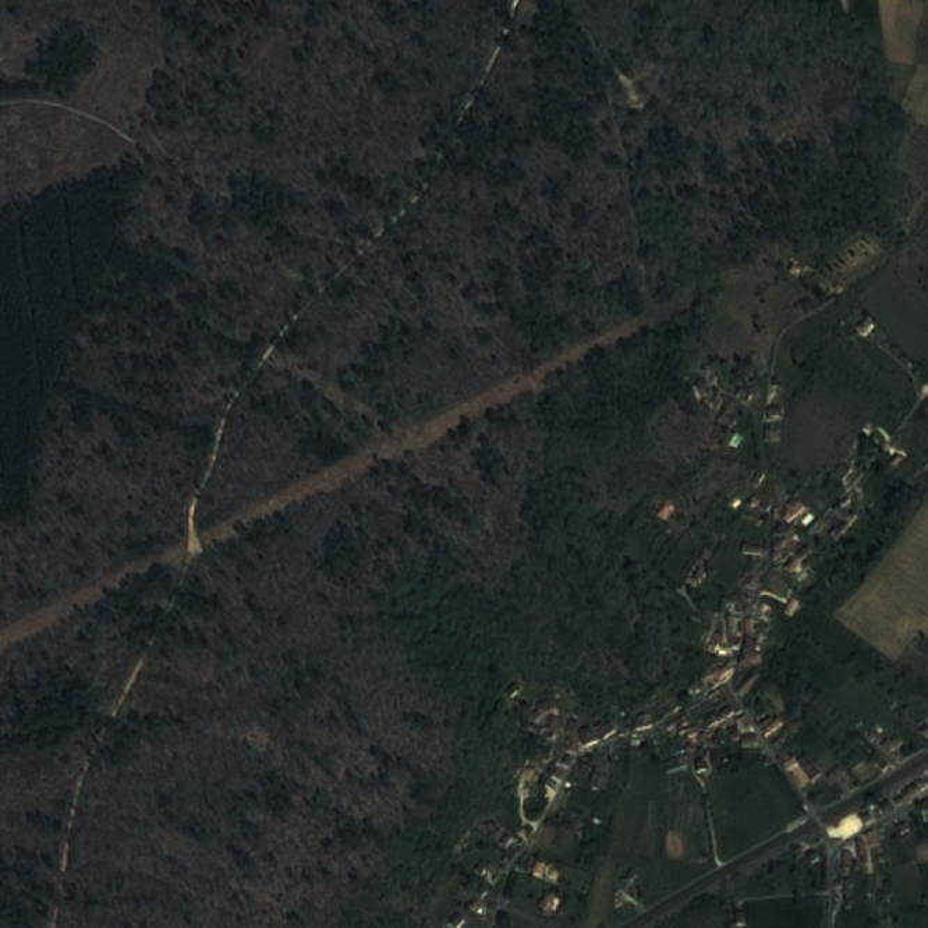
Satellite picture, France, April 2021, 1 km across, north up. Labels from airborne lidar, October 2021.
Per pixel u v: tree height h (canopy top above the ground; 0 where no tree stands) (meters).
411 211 13
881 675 10
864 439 11
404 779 12
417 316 17
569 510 21
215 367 16
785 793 0
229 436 6
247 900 13
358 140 11
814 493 9
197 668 15
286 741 16
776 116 13
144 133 10
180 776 18
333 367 8
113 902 7
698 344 26
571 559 18
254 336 6
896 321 0
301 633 13
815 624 0
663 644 23
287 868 15
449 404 13
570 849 0
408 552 17
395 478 23
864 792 0
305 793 14
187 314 20
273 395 20
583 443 19
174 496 9
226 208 10
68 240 14
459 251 16
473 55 13
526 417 13
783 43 13
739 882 13
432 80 12
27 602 19
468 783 19
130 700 10
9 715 9
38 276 19
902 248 15
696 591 7
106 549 15
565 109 21
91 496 11
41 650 13
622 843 0
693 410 16
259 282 11
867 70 20
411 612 21
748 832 0
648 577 14
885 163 20
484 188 11
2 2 22
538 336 25
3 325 20
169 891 9
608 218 7
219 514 6
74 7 13
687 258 20
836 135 14
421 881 19
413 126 13
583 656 13
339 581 27
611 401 23
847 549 19
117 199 20
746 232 25
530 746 11
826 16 22
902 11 0
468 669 19
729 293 0
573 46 13
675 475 13
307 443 16
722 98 16
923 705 0
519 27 16
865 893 8
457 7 8
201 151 12
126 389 7
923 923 0
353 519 14
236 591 12
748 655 0
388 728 9
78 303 13
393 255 8
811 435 0
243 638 12
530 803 0
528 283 17
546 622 19
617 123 12
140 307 21
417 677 12
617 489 17
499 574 18
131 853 14
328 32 19
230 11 17
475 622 18
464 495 13
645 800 0
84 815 13
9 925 24
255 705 13
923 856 0
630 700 5
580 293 13
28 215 16
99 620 11
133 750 24
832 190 25
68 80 19
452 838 16
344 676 16
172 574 12
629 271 6
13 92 14
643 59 14
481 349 8
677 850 0
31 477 17
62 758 8
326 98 6
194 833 12
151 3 17
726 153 17
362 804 14
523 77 13
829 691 0
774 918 0
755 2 12
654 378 27
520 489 8
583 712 8
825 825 0
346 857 16
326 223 13
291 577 7
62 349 19
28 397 18
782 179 6
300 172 17
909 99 0
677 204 18
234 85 15
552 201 16
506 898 6
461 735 17
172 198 18
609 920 0
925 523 0
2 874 22
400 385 17
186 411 13
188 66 8
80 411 9
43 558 13
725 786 0
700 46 13
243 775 14
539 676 17
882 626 0
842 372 7
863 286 10
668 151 21
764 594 0
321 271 13
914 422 0
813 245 18
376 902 13
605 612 20
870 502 0
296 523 13
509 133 23
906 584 0
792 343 0
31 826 14
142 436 9
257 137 15
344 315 11
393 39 17
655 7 10
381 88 12
